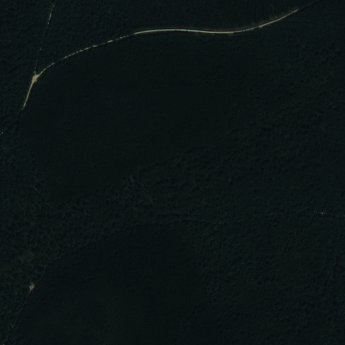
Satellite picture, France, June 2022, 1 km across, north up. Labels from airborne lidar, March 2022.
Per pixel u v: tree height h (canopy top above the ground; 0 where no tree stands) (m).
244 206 18
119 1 15
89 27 23
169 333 17
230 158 20
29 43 18
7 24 21
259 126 13
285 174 20
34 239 13
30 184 24
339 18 0
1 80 21
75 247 17
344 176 21
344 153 16
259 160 16
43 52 15
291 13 0
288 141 14
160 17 0
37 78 0
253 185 18
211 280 22
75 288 14
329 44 0
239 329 13
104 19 19
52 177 14
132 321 12
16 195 23
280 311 18
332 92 8
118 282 14
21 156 22
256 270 5
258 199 18
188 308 17
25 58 16
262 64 11
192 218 18
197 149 20
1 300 21
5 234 24
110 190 21
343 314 19
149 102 10
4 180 22
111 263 18
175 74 9
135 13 18
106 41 16
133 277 14
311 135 14
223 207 15
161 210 22
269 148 20
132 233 13
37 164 23
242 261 18
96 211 26
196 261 20
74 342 11
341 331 23
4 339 22
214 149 18
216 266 16
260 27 0
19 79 17
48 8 11
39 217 10
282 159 19
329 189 19
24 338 16
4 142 25
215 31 0
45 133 15
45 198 23
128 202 19
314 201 21
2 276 17
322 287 11
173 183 16
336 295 22
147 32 0
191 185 17
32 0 17
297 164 20
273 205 15
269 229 20
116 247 20
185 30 0
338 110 20
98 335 15
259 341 18
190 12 10
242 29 0
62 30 18
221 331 22
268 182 18
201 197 22
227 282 19
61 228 0
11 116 21
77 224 0
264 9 13
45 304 16
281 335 14
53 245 23
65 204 18
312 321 20
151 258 14
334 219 16
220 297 16
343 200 20
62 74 0
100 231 16
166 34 0
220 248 22
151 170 20
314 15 0
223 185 20
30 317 18
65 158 0
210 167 22
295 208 23
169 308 18
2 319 21
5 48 21
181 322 17
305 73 10
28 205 0
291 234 10
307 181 19
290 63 14
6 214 24
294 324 20
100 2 17
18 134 22
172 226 15
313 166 17
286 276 7
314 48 18
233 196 14
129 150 0
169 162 21
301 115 12
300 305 16
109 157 0
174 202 11
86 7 20
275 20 0
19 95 21
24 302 22
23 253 17
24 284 18
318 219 15
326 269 27
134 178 0
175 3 7
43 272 20
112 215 25
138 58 12
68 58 0
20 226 26
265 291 7
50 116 13
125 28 22
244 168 18
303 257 8
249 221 17
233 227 18
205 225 24
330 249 19
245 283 11
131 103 12
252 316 12
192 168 14
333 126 11
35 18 17
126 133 0
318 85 0
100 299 11
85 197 22
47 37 15
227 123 7
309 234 8
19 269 6
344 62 0
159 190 17
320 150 15
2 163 23
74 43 19
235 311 9
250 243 8
